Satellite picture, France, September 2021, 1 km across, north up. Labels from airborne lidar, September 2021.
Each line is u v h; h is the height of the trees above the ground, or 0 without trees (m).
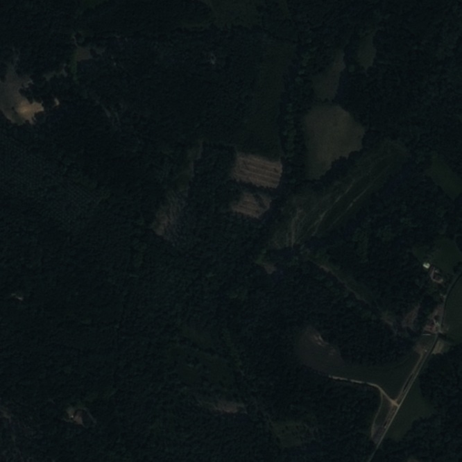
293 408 15
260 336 20
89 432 16
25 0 21
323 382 26
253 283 23
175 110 31
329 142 0
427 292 27
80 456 27
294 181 18
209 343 0
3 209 25
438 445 22
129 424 11
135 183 21
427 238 27
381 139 14
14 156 29
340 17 24
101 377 27
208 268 18
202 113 24
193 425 18
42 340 24
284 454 9
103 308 26
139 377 13
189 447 15
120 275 16
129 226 17
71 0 19
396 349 21
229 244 9
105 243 17
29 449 24
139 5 18
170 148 26
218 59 24
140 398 8
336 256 19
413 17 26
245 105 20
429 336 0
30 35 21
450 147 19
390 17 26
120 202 17
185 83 26
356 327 17
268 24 13
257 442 25
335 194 0
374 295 24
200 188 0
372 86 18
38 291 24
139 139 20
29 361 26
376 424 0
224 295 23
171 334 23
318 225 0
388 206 21
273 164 0
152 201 17
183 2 12
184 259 15
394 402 0
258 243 24
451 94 17
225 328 24
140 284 18
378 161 0
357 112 24
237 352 19
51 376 25
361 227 21
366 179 0
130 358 17
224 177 20
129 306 16
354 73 19
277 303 22
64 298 26
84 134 27
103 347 17
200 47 17
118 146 27
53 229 30
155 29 14
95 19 22
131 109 28
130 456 21
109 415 23
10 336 24
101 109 18
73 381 24
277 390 19
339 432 20
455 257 0
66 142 27
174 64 30
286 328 23
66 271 28
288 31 15
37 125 13
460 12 25
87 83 23
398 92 27
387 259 22
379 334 17
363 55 0
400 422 0
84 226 20
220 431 16
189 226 27
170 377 6
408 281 14
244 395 22
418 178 19
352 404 24
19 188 26
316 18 16
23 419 29
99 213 18
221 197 17
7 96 0
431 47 23
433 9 24
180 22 9
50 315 18
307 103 20
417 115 25
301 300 18
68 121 26
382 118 21
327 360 0
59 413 18
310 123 0
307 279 20
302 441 12
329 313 14
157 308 9
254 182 0
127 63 32
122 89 32
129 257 15
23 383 22
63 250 26
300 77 26
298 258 27
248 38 19
